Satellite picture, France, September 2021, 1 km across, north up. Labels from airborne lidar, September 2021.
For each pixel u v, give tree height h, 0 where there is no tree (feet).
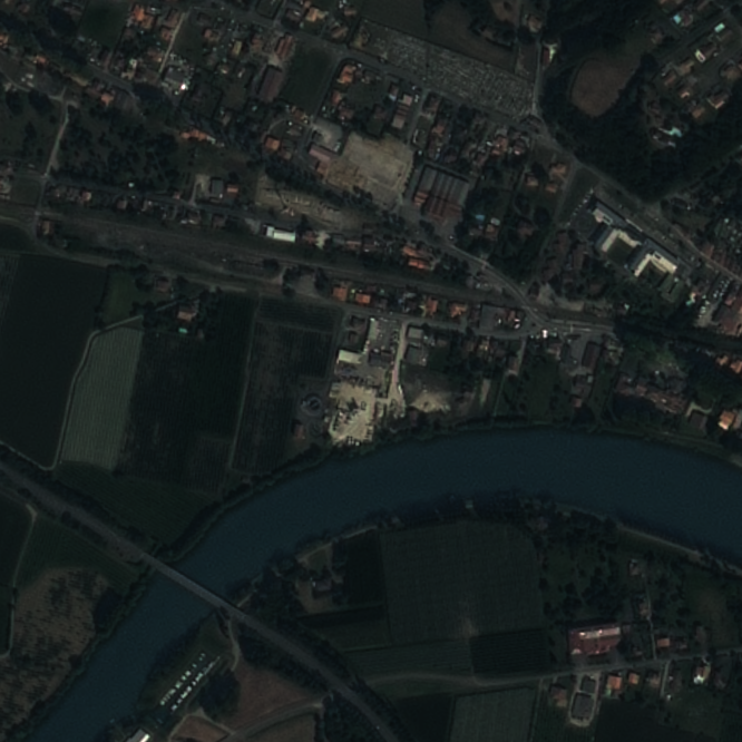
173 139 35
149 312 40
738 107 51
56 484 41
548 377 0
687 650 36
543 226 74
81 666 48
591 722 0
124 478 40
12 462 32
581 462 0
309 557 0
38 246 0
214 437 0
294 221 0
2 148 0
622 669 0
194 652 0
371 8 0
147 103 91
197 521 37
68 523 34
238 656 0
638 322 33
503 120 0
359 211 63
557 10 57
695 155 72
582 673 0
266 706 0
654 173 52
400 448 0
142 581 21
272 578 59
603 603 38
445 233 0
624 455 0
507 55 0
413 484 0
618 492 0
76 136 35
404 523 64
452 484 0
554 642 35
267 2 0
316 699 0
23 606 0
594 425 65
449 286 0
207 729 0
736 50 0
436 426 29
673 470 0
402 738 46
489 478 0
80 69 105
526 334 0
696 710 0
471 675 0
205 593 0
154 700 0
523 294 0
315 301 0
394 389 0
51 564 0
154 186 49
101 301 17
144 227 0
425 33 0
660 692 0
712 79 0
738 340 28
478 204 59
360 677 0
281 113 25
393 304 51
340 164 0
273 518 0
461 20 0
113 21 0
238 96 0
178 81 0
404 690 0
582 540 57
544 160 0
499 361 22
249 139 35
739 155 21
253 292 0
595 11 70
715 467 0
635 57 0
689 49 0
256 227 0
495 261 24
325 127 0
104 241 0
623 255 0
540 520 0
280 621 20
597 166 34
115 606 78
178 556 34
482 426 44
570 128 46
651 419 95
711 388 112
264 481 29
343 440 0
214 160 0
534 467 0
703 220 0
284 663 45
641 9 55
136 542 42
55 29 55
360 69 0
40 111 68
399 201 0
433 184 0
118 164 36
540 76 0
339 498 0
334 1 0
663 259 0
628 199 0
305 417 0
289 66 0
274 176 45
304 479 0
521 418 29
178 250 0
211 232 0
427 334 37
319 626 18
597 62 0
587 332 0
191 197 0
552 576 0
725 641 0
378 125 0
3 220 0
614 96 0
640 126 22
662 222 0
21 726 21
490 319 0
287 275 22
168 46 0
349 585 28
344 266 0
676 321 43
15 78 0
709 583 0
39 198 0
